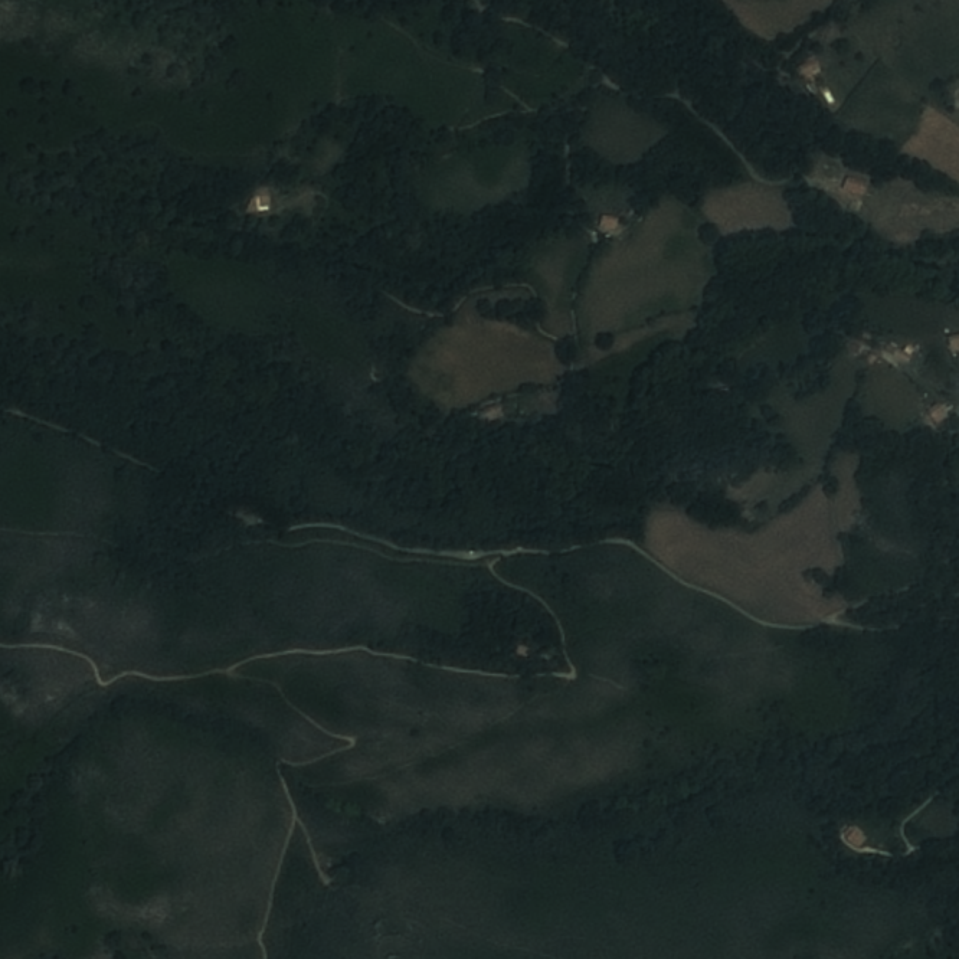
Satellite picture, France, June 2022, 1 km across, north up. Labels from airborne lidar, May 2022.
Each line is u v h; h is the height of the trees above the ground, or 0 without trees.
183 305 11
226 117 0
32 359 12
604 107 0
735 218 0
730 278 16
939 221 0
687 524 0
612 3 7
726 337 23
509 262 22
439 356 0
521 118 9
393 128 16
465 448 20
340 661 0
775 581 0
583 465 33
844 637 8
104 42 0
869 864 15
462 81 0
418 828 8
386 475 19
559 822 16
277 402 18
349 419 19
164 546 15
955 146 0
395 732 0
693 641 0
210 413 15
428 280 5
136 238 18
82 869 0
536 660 11
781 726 8
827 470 7
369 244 21
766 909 0
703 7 14
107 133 14
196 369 13
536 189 12
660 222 0
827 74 0
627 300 0
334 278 12
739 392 13
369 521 11
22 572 0
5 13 0
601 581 0
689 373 20
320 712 0
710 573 0
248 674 0
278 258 10
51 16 0
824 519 0
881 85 0
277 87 0
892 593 6
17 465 0
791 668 0
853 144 22
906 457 14
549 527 12
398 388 15
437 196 0
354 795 0
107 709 7
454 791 0
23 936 0
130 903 0
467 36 13
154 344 9
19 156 0
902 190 0
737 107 19
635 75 19
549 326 0
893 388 0
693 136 12
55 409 11
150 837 0
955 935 15
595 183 14
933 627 19
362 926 0
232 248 18
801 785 5
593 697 0
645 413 22
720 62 22
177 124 0
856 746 25
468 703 0
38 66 0
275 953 0
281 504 6
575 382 25
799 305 24
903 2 0
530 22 8
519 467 24
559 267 0
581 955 0
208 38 8
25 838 12
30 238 8
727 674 0
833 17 14
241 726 9
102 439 9
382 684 0
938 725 13
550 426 25
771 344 0
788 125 21
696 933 0
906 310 0
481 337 0
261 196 0
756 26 0
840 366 0
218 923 0
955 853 9
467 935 0
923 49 0
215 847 0
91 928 0
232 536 7
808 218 24
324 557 0
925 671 19
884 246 24
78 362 23
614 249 0
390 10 7
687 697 0
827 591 8
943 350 0
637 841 12
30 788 8
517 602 10
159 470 10
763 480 0
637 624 0
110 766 0
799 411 0
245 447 12
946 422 10
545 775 0
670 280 0
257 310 0
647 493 7
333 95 0
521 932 0
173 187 13
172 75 8
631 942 0
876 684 6
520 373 0
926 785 10
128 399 17
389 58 0
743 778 13
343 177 6
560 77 0
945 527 17
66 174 12
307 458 7
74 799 0
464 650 12
